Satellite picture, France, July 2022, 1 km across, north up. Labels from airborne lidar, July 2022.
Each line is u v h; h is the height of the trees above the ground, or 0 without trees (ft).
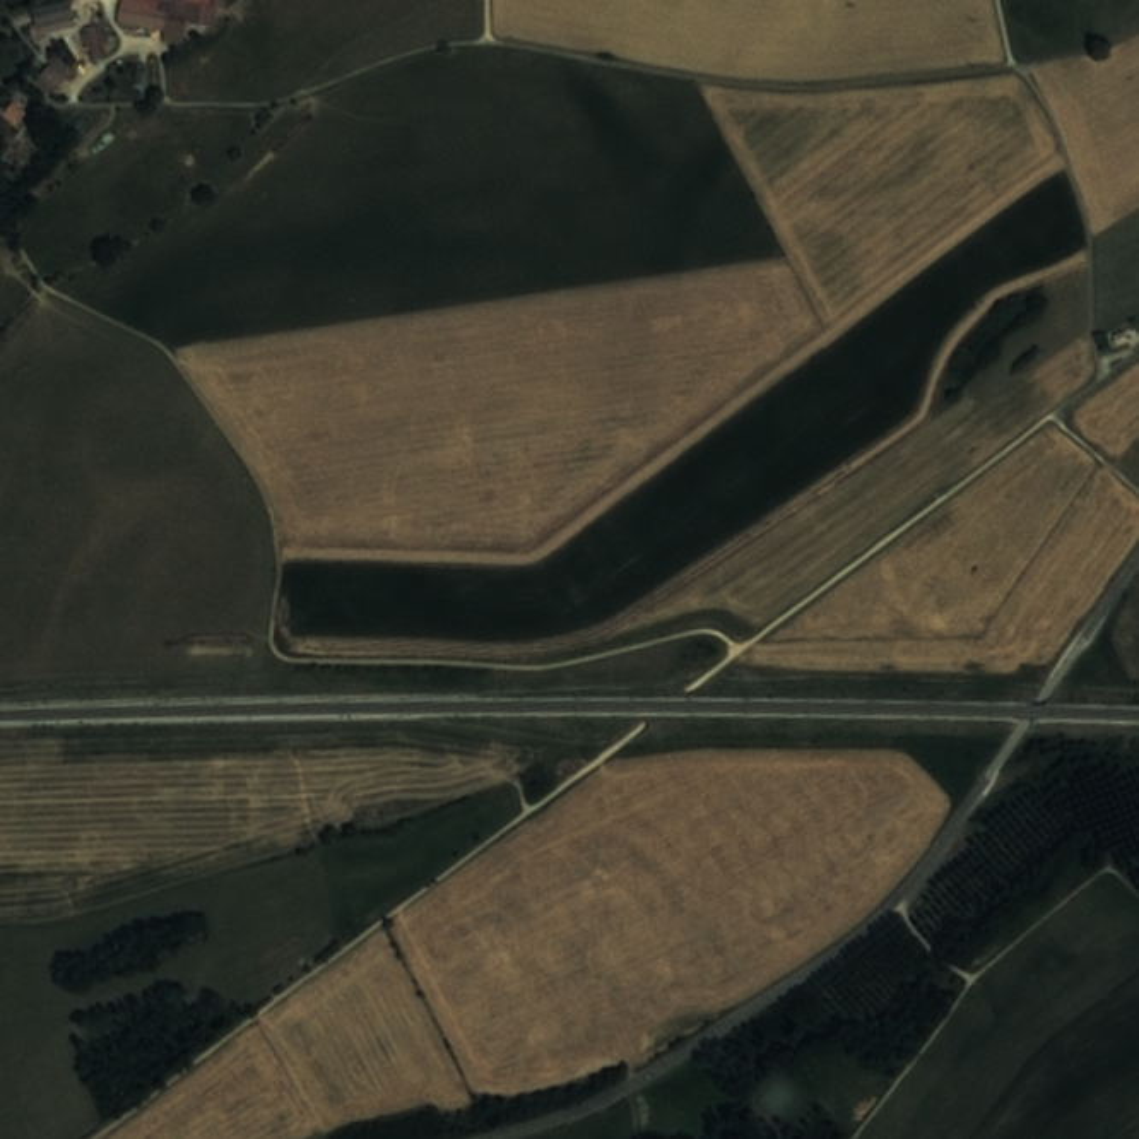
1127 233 0
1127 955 0
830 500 0
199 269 0
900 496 0
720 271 0
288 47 0
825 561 0
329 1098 0
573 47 0
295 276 0
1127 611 0
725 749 0
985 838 41
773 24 0
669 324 0
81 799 0
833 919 0
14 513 0
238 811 0
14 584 0
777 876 0
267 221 0
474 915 0
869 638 0
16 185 22
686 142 0
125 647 0
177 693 0
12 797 0
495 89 0
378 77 0
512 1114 25
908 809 0
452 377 0
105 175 0
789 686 0
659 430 0
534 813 0
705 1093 0
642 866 0
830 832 0
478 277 0
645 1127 0
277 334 0
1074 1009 0
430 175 0
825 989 60
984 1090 0
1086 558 0
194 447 0
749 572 0
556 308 0
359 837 31
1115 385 0
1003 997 0
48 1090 0
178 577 0
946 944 73
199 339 0
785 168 0
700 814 0
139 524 0
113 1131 0
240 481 0
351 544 0
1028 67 0
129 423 0
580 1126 0
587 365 0
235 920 0
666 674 0
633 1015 0
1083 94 0
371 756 0
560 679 0
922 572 0
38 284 21
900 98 0
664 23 0
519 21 0
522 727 0
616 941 0
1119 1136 0
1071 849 76
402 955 26
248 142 0
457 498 0
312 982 0
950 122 0
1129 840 69
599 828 0
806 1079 0
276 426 0
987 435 0
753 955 0
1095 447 0
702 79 0
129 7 0
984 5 0
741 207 0
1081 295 0
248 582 0
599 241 0
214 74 0
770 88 0
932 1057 0
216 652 0
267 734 0
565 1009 0
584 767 0
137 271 0
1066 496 0
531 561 0
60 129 58
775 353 0
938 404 0
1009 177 0
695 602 0
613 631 0
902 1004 48
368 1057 0
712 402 0
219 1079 0
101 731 0
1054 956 0
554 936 0
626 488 0
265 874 0
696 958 0
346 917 0
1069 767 34
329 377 0
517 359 0
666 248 0
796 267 0
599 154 0
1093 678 0
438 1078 0
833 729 0
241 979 0
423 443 0
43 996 0
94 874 0
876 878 0
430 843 0
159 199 0
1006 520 0
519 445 0
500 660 0
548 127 0
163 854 0
